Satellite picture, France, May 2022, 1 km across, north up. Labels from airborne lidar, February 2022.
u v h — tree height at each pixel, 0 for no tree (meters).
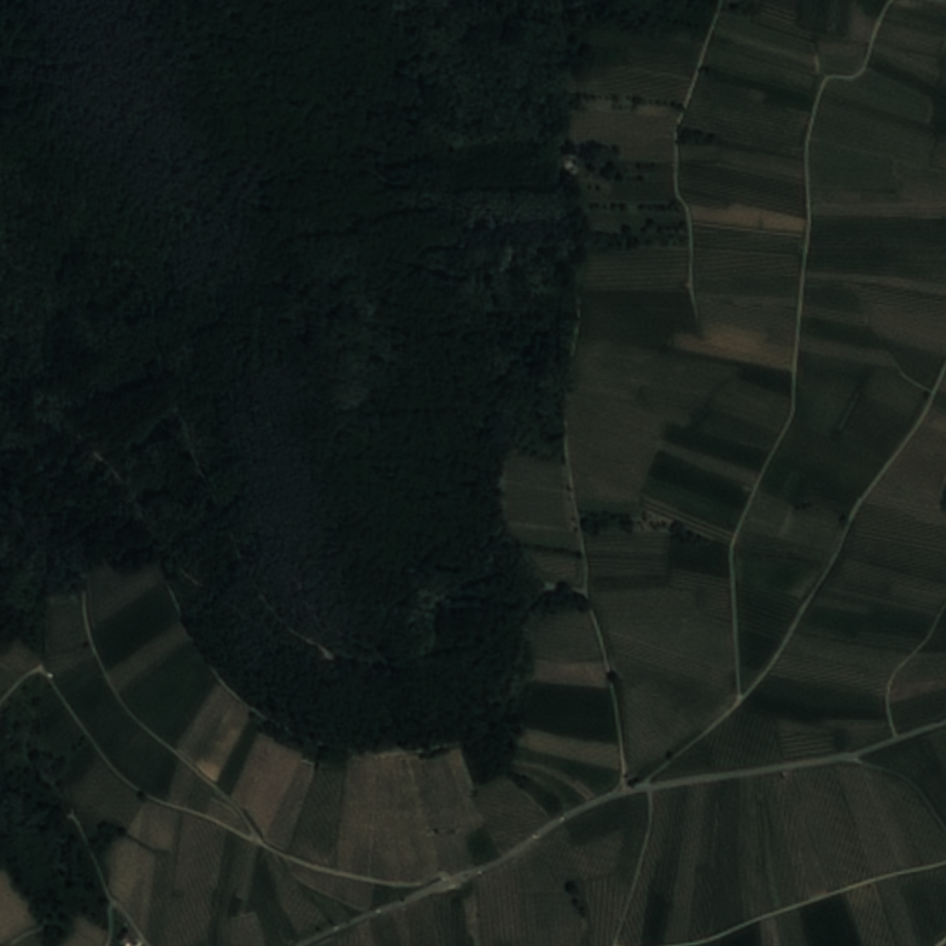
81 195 18
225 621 21
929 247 0
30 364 24
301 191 30
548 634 0
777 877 0
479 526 27
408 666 22
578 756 0
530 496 0
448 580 26
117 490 23
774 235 0
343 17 30
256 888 0
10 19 21
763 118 0
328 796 0
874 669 0
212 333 20
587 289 0
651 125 0
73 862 9
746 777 0
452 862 0
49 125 20
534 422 11
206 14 27
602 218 0
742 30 0
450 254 23
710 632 0
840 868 0
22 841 14
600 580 0
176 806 0
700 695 0
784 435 0
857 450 0
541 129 19
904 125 0
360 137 29
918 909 0
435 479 33
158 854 0
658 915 0
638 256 0
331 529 21
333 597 15
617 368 0
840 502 0
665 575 0
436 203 13
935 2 0
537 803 0
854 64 0
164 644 0
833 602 0
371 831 0
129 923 0
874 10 0
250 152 27
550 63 26
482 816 0
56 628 0
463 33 30
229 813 0
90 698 0
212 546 18
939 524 0
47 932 10
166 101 18
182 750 0
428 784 0
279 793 0
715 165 0
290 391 21
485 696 12
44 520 18
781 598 0
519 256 26
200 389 19
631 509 0
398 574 22
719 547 0
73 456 20
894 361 0
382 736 20
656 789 0
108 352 19
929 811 0
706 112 0
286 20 28
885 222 0
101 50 17
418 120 25
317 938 0
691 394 0
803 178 0
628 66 0
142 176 18
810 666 0
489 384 25
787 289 0
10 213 22
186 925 0
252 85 30
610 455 0
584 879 0
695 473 0
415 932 0
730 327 0
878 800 0
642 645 0
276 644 15
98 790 0
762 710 0
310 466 19
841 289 0
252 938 0
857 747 0
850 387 0
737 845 0
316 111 29
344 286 32
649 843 0
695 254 0
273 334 23
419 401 31
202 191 17
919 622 0
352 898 0
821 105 0
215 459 8
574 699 0
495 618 25
